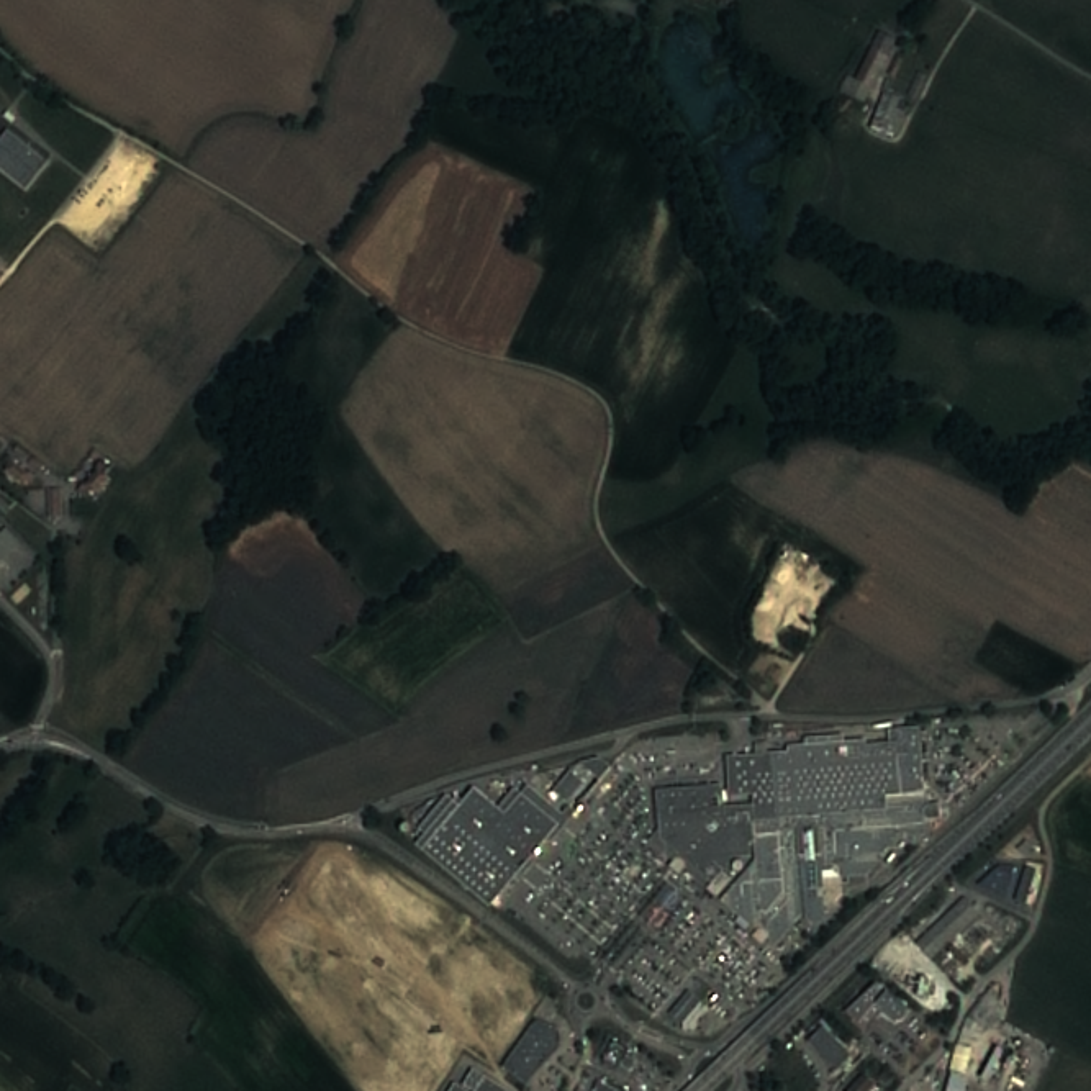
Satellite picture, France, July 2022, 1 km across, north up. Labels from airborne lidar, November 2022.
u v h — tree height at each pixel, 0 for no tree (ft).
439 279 0
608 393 0
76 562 0
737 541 0
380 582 0
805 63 0
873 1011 0
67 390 0
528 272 0
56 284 0
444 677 0
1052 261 0
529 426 0
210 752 0
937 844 0
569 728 0
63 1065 0
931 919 0
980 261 0
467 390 0
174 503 0
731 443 0
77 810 61
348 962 0
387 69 0
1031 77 0
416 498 0
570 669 0
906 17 53
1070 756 0
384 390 0
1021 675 0
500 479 0
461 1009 0
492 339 0
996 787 0
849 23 0
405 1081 0
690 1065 0
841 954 0
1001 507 0
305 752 0
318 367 0
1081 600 0
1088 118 0
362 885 0
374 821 52
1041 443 58
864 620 0
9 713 0
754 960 0
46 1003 0
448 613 0
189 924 0
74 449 0
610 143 0
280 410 67
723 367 0
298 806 0
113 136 0
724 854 0
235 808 0
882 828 0
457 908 0
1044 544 0
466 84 0
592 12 63
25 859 0
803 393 60
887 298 77
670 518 0
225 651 0
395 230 0
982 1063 0
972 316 68
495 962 0
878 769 0
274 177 0
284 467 72
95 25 0
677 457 0
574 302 0
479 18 54
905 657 0
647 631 0
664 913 0
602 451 0
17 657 0
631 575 0
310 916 0
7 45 36
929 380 0
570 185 0
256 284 0
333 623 0
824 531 0
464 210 0
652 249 0
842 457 0
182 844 0
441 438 0
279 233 0
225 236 0
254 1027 0
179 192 0
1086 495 0
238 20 0
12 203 0
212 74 0
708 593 0
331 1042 0
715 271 53
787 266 0
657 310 0
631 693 0
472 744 0
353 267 0
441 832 0
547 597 0
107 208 0
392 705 0
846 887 0
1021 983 0
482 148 0
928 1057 0
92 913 0
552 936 0
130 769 0
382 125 0
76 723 0
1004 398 0
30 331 0
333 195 0
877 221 0
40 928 0
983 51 0
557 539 0
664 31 0
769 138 0
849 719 0
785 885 0
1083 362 0
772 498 0
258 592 0
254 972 0
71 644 0
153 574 0
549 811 0
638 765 0
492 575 0
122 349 0
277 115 0
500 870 0
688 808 0
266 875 0
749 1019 0
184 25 0
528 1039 0
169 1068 0
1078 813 0
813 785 0
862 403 67
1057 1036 0
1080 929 0
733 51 69
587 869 0
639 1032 0
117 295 0
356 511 0
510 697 0
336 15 0
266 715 0
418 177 0
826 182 0
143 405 0
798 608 0
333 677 0
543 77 39
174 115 0
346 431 0
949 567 0
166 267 0
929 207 0
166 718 0
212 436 63
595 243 0
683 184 71
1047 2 0
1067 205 0
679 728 0
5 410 0
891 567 0
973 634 0
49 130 0
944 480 0
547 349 0
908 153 0
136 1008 0
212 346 0
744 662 0
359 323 0
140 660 0
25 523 0
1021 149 0
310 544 0
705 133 0
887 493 0
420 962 0
